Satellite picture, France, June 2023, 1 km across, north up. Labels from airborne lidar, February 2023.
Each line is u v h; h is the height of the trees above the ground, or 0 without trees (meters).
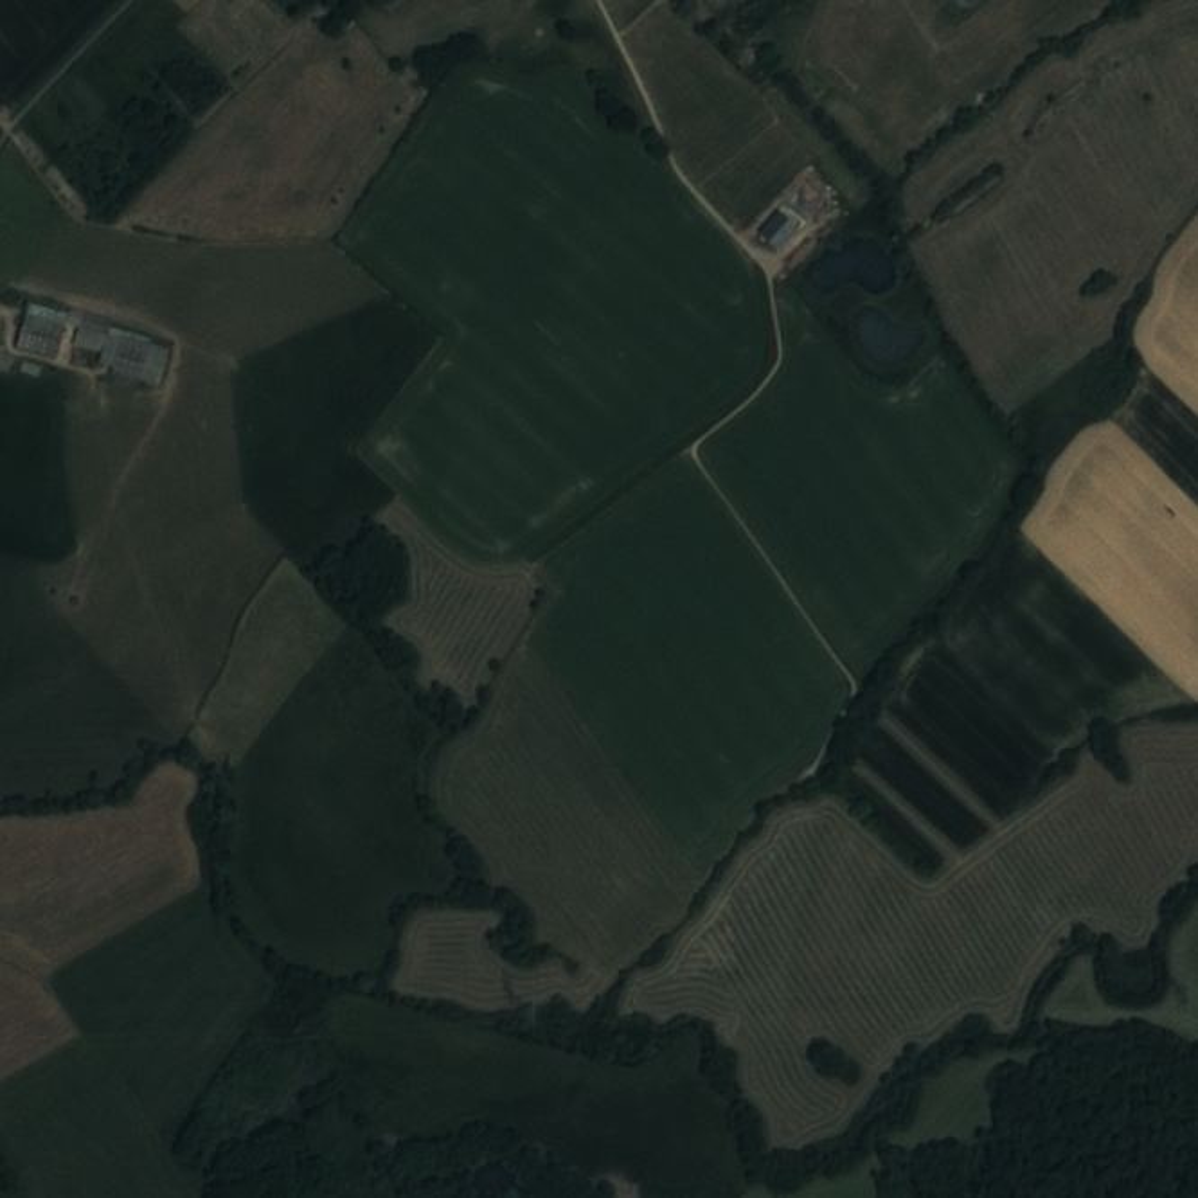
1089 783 0
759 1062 0
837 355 0
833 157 0
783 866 0
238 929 10
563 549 0
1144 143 0
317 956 0
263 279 0
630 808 0
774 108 0
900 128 0
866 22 0
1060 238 0
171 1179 0
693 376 0
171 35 0
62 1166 0
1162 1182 22
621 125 21
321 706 0
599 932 0
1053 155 0
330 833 0
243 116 0
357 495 0
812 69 0
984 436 0
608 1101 0
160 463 0
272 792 0
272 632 0
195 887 0
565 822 0
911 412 0
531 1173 14
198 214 0
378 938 0
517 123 0
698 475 0
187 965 0
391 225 0
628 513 0
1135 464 0
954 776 0
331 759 0
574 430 0
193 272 0
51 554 0
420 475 0
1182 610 0
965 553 0
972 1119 0
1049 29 0
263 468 0
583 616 0
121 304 0
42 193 0
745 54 0
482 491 0
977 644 0
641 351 0
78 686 0
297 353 0
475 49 18
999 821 0
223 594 0
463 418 0
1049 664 0
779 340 0
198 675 0
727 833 0
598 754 0
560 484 0
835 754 16
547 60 0
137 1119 0
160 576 0
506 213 0
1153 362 0
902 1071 12
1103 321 0
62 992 0
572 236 0
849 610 0
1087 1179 22
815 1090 0
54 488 0
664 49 0
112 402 0
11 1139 0
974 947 0
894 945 0
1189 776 0
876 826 14
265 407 0
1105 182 0
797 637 0
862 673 0
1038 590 0
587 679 0
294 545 0
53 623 0
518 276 0
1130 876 0
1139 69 0
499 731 0
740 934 0
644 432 0
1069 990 0
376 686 0
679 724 0
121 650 0
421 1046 0
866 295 0
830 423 0
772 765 0
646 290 0
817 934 0
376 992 7
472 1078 0
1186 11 0
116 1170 0
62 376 0
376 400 0
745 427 0
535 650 0
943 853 0
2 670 0
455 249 0
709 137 0
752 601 0
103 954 0
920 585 0
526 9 0
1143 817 0
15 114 0
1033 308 0
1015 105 0
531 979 0
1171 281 0
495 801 0
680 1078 0
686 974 0
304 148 0
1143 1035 20
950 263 0
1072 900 0
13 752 0
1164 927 12
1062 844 0
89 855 0
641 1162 0
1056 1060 19
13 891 0
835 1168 16
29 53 0
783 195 0
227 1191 18
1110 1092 22
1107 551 0
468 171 0
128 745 0
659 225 0
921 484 0
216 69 0
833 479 0
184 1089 0
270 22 0
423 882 0
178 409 0
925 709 0
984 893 0
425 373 0
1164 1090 23
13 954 0
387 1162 17
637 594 0
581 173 0
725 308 0
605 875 0
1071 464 0
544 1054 0
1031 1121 22
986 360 0
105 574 0
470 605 0
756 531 0
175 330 0
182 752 11
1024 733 0
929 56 0
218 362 0
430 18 0
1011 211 0
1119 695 0
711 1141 0
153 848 0
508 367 0
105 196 7
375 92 0
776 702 0
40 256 0
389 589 16
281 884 0
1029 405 0
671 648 0
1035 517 0
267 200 0
